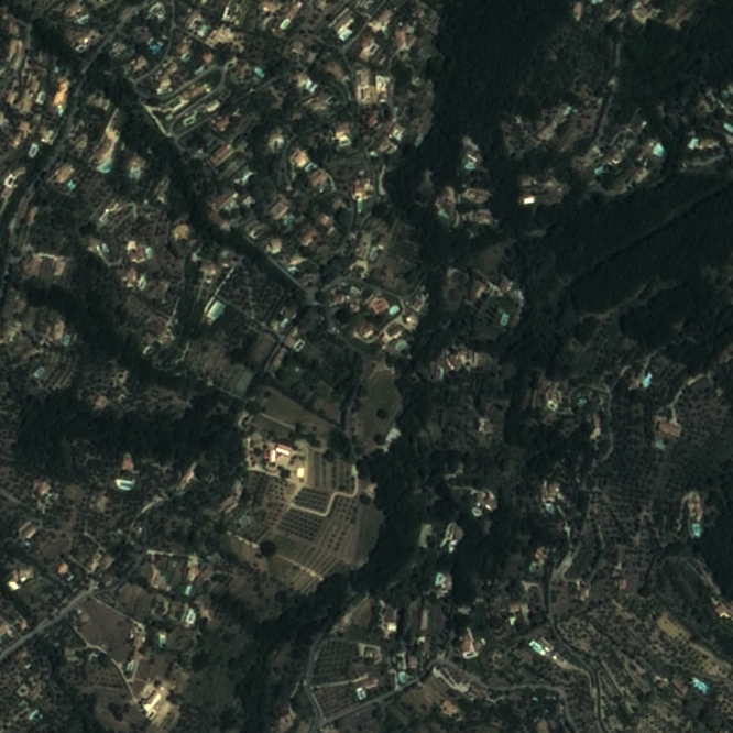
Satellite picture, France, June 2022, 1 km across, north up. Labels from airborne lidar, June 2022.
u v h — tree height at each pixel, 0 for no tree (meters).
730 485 16
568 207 14
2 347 6
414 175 17
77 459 10
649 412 7
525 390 13
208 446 21
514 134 7
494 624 14
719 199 18
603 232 17
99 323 16
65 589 9
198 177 9
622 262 23
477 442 6
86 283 7
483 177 16
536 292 22
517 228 19
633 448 7
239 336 8
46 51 11
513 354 16
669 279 10
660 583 8
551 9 19
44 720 8
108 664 19
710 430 8
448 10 14
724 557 15
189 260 6
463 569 22
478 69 15
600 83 7
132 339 12
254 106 8
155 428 18
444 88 20
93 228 20
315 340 9
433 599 7
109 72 14
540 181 6
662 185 8
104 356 11
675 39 17
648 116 10
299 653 9
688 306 17
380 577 24
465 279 6
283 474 8
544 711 7
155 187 7
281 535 0
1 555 7
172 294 8
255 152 12
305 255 8
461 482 7
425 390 13
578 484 7
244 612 16
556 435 15
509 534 18
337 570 0
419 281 10
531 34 19
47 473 7
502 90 15
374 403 0
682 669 6
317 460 0
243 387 0
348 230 8
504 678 14
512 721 7
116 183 8
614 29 18
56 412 20
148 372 22
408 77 9
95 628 0
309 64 8
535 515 7
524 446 16
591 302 23
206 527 9
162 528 9
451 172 14
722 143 8
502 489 9
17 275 7
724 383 7
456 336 15
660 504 7
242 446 13
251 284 7
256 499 6
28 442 18
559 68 14
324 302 16
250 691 19
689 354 15
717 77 12
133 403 7
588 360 0
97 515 6
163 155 16
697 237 20
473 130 16
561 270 18
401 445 20
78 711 9
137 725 7
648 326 20
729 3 12
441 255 22
